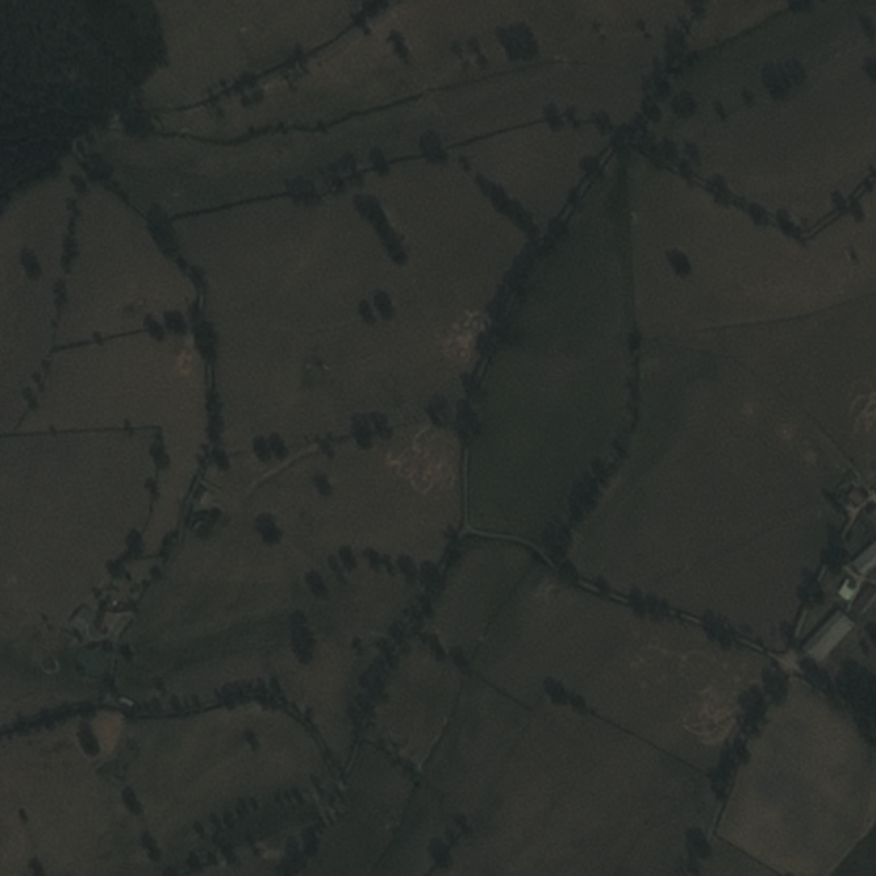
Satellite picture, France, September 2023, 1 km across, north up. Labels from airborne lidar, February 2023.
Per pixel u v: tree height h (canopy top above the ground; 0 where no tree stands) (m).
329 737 0
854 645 0
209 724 0
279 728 0
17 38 12
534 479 0
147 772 0
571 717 0
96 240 0
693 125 0
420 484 0
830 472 0
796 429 0
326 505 0
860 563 0
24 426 0
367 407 0
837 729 0
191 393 0
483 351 13
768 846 0
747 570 0
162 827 0
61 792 0
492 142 0
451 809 0
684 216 0
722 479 0
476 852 0
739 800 0
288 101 0
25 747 0
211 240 0
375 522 0
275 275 0
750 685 0
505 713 0
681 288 0
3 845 0
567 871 0
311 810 0
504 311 12
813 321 0
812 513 0
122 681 0
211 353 20
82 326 0
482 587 0
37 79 6
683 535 0
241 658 0
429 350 0
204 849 0
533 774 0
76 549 0
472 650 0
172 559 0
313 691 0
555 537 20
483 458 0
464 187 0
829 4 0
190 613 0
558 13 0
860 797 0
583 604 0
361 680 0
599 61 0
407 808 0
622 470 0
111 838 0
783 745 0
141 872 0
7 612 0
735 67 0
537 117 0
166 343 0
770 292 0
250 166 0
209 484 0
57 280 0
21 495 0
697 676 0
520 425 0
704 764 0
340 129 0
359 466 0
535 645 0
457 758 0
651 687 0
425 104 0
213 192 0
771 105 0
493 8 0
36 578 0
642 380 0
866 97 0
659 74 14
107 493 0
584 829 0
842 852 0
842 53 0
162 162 0
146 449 0
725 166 0
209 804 0
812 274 0
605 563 0
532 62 0
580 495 17
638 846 0
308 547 0
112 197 0
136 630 0
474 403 13
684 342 0
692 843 17
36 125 20
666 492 0
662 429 0
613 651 0
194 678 0
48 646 0
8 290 0
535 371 0
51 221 0
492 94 0
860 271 0
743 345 0
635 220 0
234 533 0
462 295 0
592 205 0
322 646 0
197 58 0
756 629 0
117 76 20
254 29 0
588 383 0
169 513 0
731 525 0
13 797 0
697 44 0
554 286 0
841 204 17
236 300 0
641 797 0
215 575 0
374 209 19
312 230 0
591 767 0
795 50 0
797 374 0
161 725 0
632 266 0
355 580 0
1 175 25
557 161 0
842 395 0
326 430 13
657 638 0
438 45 0
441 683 0
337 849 0
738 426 0
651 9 0
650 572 0
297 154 0
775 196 0
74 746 0
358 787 0
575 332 0
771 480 0
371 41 0
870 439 0
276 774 0
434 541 0
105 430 0
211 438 13
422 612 19
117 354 0
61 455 0
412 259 0
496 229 0
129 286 0
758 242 0
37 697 0
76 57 13
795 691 0
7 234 0
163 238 21
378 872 0
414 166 0
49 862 0
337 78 0
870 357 0
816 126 0
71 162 0
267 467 0
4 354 0
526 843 0
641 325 0
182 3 0
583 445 0
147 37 16
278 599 0
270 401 0
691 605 0
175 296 0
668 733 0
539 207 0
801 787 0
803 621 0
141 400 0
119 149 0
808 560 0
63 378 0
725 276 0
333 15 0
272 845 0
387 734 0
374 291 0
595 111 0
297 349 0
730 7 0
